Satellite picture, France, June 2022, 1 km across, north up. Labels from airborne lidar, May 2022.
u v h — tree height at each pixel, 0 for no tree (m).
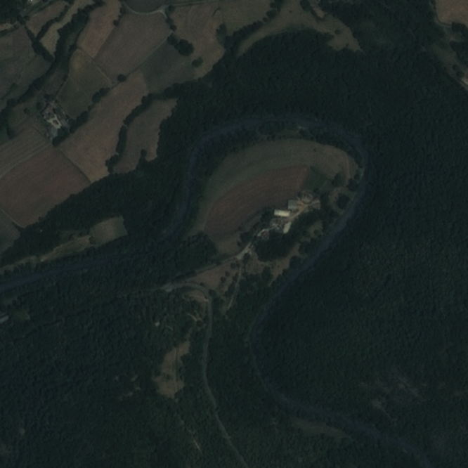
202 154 18
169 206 22
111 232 0
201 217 0
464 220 21
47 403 14
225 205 0
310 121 0
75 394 18
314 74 17
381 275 11
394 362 7
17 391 16
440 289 10
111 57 0
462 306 11
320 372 12
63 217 16
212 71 10
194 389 17
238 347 19
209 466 10
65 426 9
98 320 17
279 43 18
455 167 16
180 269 17
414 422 14
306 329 15
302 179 0
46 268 12
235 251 0
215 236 0
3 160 0
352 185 23
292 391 21
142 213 6
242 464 10
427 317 16
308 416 31
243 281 12
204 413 12
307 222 8
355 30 7
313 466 17
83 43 0
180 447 13
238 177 0
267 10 0
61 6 0
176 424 13
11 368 14
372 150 9
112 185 13
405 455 20
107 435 18
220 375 19
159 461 16
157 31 0
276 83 23
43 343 18
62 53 13
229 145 28
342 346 11
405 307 11
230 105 16
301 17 0
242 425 11
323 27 0
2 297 12
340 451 18
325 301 18
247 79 14
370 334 8
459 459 8
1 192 0
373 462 14
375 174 12
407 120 18
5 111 16
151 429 12
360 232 20
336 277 15
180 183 16
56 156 0
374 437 13
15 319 8
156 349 12
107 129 0
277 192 0
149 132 0
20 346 16
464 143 18
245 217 0
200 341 14
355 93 16
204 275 0
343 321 16
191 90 7
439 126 22
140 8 0
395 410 18
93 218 14
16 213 0
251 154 0
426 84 10
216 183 0
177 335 11
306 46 22
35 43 15
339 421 16
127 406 15
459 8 0
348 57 17
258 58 22
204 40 0
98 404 17
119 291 13
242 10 0
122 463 13
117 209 8
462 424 8
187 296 8
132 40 0
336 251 19
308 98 15
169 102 0
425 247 10
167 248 23
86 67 0
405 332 7
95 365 17
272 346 13
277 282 13
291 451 13
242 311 12
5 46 0
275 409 18
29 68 0
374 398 14
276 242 12
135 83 0
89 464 15
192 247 13
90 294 15
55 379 14
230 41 21
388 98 15
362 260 13
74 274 16
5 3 13
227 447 11
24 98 16
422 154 13
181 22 0
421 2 13
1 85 0
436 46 0
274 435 12
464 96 10
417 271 14
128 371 12
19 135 0
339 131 0
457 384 9
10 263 14
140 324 14
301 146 0
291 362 16
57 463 19
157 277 12
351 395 16
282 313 9
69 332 16
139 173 18
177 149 22
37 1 0
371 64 19
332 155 0
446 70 10
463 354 16
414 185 20
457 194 13
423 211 21
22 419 9
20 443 8
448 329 13
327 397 9
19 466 18
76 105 0
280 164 0
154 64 0
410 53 12
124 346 12
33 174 0
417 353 12
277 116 25
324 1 14
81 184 0
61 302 15
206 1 0
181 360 8
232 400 15
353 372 9
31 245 11
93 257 10
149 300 11
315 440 11
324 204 11
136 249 27
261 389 18
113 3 0
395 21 6
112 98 0
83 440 15
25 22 9
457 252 10
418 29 12
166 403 16
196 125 14
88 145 0
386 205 16
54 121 6
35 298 20
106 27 0
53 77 0
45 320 19
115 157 9
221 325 16
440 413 11
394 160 15
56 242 9
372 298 12
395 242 15
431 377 11
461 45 9
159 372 8
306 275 17
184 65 0
